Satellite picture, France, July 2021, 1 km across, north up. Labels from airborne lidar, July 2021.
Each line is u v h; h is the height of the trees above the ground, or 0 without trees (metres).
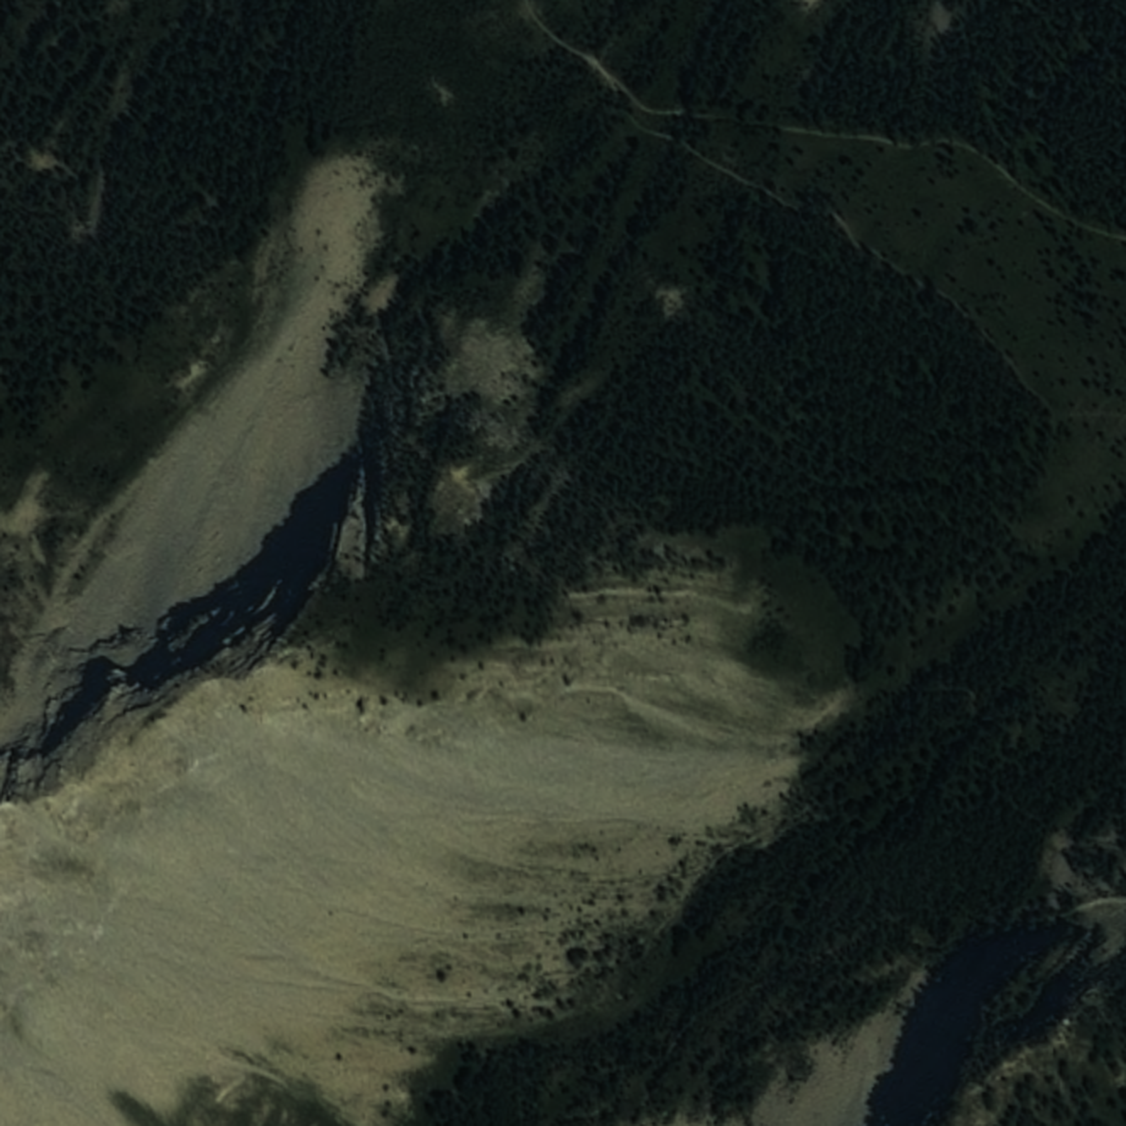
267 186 22
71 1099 0
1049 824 19
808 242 21
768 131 7
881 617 14
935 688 12
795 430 18
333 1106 0
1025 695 19
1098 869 12
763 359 18
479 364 0
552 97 7
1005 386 24
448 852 0
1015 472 24
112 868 0
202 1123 0
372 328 8
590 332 15
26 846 0
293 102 15
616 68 6
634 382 6
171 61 19
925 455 23
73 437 0
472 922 0
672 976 0
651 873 0
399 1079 0
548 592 13
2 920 0
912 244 0
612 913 0
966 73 16
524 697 0
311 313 0
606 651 0
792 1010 8
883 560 24
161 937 0
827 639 0
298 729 0
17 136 19
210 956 0
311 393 0
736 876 13
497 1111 21
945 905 13
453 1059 0
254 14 19
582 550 15
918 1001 0
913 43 8
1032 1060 0
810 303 25
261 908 0
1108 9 22
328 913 0
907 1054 0
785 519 13
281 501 0
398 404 8
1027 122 8
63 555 0
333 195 0
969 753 22
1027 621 17
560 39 9
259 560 0
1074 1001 7
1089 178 26
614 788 0
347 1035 0
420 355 10
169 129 24
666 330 11
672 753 0
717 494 13
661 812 0
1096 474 0
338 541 0
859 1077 0
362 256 0
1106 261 0
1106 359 0
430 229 0
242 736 0
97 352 20
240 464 0
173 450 0
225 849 0
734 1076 15
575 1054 6
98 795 0
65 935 0
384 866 0
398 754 0
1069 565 0
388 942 0
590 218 20
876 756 15
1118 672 12
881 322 22
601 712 0
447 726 0
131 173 20
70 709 0
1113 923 0
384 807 0
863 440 12
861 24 19
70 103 16
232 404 0
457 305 6
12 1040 0
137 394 0
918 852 17
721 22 19
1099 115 23
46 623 0
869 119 22
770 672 0
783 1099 0
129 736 0
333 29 8
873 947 14
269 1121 0
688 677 0
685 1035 8
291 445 0
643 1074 8
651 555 9
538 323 22
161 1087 0
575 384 7
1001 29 20
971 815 14
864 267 23
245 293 0
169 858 0
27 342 15
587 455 8
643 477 19
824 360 15
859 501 25
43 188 17
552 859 0
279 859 0
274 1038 0
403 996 0
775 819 0
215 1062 0
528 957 0
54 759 0
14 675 0
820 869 8
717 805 0
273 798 0
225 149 24
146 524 0
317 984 0
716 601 0
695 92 24
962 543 10
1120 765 17
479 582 8
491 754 0
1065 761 15
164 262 11
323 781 0
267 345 0
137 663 0
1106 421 0
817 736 9
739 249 26
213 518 0
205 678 0
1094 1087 12
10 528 0
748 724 0
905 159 0
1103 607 20
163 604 0
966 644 10
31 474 0
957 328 22
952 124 14
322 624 7
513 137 13
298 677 0
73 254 10
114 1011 0
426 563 8
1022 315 0
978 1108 0
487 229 26
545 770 0
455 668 0
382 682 0
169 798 0
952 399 26
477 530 6
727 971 13
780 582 0
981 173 0
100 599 0
